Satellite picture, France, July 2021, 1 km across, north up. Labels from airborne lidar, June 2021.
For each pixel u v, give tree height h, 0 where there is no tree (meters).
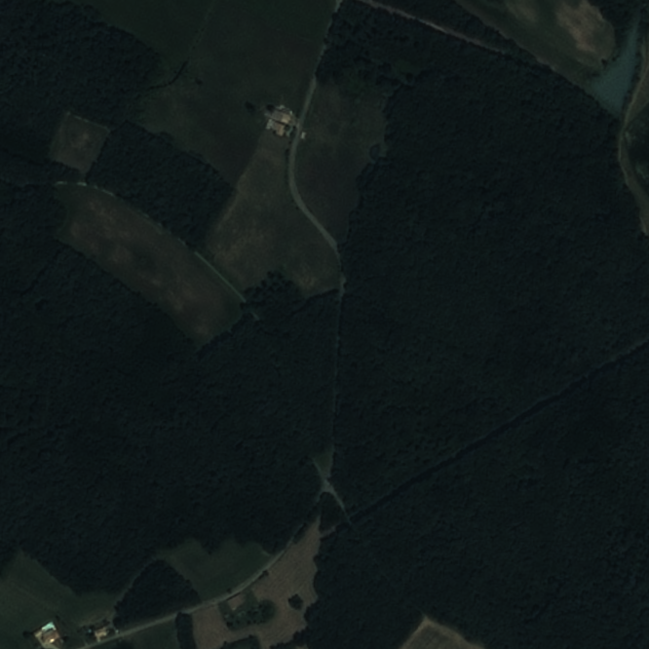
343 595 20
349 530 21
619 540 19
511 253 23
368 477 18
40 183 15
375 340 21
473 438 20
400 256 20
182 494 12
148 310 16
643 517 10
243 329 20
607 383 29
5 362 21
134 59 16
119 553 18
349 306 21
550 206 18
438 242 18
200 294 0
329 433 18
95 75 19
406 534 21
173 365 21
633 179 0
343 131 0
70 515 19
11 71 16
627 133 0
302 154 0
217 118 0
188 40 0
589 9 0
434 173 26
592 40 0
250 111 19
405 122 25
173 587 19
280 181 0
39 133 14
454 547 16
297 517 18
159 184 14
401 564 17
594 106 16
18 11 14
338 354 17
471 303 17
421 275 14
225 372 23
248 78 0
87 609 0
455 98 22
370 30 16
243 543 15
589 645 18
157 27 0
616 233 23
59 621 7
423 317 21
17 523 19
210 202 15
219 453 20
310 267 0
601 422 17
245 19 0
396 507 17
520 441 26
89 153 0
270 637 0
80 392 23
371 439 17
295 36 0
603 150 32
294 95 0
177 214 16
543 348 22
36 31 21
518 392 23
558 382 26
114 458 23
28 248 18
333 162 0
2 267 21
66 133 0
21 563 0
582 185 23
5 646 0
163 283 0
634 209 17
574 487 13
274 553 10
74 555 19
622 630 19
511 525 23
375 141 0
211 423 21
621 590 13
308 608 0
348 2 11
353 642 17
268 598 0
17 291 22
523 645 18
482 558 17
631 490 14
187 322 0
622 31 11
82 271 19
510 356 19
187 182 12
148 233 0
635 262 17
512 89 14
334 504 10
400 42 15
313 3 0
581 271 16
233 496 18
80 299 20
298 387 18
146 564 13
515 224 24
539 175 26
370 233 14
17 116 16
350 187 0
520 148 22
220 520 14
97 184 14
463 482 25
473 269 20
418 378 20
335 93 0
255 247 0
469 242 23
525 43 0
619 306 17
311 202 0
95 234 0
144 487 25
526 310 19
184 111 0
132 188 16
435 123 23
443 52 12
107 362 21
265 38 0
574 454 16
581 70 0
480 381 26
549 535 21
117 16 0
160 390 16
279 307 14
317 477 17
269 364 23
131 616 20
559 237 19
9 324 26
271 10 0
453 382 16
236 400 23
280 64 0
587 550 22
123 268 0
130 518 15
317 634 22
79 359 23
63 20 21
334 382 21
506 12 0
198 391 19
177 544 16
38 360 21
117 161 14
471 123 21
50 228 22
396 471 18
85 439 14
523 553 22
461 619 11
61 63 17
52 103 16
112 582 17
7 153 16
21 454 12
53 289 23
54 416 10
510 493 22
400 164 21
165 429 15
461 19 12
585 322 14
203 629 0
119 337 25
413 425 20
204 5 0
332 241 0
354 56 17
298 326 18
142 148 11
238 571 0
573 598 18
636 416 27
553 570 20
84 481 17
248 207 0
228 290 0
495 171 22
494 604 19
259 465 16
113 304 18
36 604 0
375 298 16
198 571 0
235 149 0
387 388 18
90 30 26
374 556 18
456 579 18
